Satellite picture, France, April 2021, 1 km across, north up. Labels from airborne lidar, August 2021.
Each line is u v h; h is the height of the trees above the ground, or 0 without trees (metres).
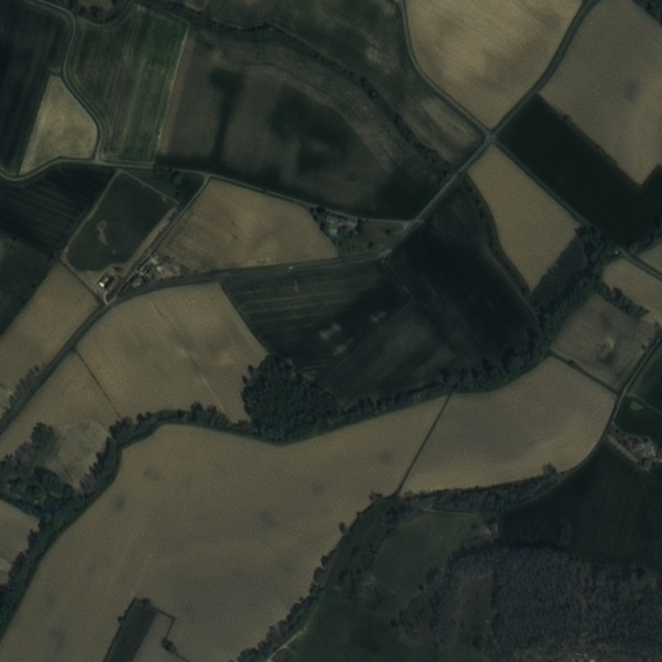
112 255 0
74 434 0
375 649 0
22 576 26
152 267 12
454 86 0
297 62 0
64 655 0
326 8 0
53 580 0
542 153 0
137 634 0
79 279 0
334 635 0
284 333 0
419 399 13
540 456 0
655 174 0
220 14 0
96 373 0
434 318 0
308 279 0
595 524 0
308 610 15
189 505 0
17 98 0
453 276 0
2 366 0
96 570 0
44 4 0
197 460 0
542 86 0
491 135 0
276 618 0
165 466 0
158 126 0
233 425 7
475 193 9
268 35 14
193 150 0
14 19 0
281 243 0
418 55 0
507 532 0
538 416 0
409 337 0
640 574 6
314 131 0
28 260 0
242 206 0
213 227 0
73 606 0
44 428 16
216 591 0
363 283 0
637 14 0
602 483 0
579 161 0
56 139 0
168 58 0
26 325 0
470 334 0
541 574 18
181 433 0
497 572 13
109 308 0
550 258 0
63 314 0
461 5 0
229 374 0
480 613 0
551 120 0
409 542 0
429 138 0
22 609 0
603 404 0
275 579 0
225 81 0
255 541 0
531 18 0
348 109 0
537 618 14
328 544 0
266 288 0
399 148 0
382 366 0
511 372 26
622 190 0
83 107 0
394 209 0
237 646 0
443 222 0
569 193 0
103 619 0
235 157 0
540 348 32
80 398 0
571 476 0
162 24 0
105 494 0
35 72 0
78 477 0
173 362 0
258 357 0
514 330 0
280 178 0
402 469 0
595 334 0
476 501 13
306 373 0
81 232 0
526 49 0
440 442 0
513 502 7
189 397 0
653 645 12
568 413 0
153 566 0
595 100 0
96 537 0
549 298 6
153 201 0
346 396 0
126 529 0
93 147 0
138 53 0
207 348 0
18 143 0
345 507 0
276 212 0
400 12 0
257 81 0
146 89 0
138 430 12
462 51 0
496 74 0
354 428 0
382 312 0
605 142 0
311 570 0
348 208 0
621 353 0
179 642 0
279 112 0
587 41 0
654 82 0
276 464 0
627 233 0
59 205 0
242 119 0
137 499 0
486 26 0
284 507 0
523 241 0
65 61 0
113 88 0
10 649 0
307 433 18
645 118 0
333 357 0
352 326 0
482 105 0
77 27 0
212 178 0
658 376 0
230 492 0
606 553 0
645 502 0
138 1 0
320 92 0
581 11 0
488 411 0
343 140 0
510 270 10
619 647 7
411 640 13
